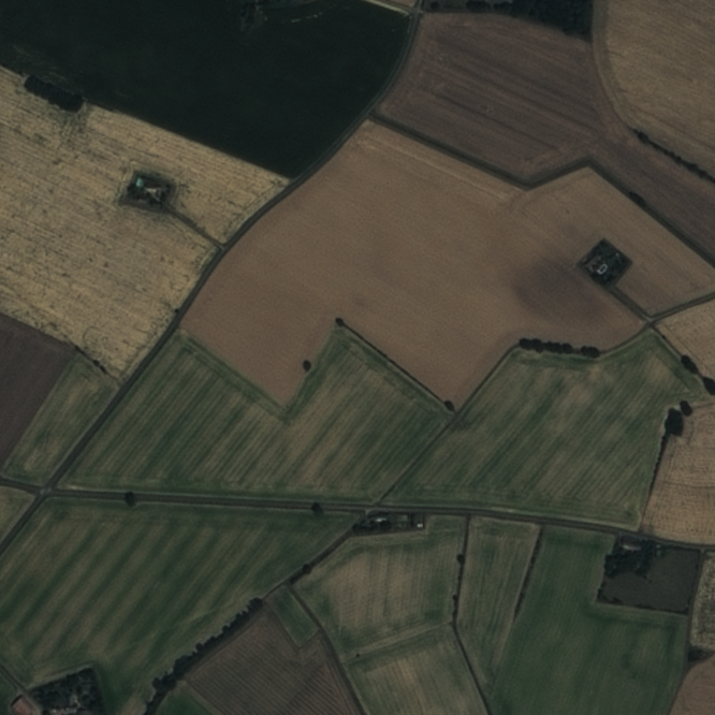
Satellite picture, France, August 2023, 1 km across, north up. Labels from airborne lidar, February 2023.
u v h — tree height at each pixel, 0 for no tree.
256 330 0
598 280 10
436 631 0
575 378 0
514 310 0
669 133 0
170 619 0
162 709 0
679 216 0
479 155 0
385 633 0
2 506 0
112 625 0
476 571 0
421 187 0
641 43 0
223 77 0
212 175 0
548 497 0
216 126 0
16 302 0
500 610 0
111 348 0
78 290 0
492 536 0
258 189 0
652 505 0
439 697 0
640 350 0
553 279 0
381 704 0
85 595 0
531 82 0
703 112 0
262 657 0
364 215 0
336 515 0
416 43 0
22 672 0
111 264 0
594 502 0
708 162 0
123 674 0
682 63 0
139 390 0
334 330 0
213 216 0
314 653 0
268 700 0
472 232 0
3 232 0
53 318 0
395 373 0
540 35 0
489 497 0
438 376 0
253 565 0
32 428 0
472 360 0
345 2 0
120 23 0
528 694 0
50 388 0
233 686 0
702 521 0
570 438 0
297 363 0
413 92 0
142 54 0
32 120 0
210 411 0
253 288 0
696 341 0
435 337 0
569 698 0
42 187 0
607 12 0
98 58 0
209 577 0
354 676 0
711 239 0
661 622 0
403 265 0
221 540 0
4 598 0
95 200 0
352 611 0
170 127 0
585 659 0
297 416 0
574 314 0
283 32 0
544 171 0
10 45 0
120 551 0
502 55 0
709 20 0
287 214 0
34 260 0
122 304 0
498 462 0
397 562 0
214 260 0
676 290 0
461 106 0
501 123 0
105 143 0
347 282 0
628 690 0
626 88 0
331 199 0
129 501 12
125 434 0
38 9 0
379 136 0
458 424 0
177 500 0
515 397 0
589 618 0
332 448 0
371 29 0
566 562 0
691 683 0
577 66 0
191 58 0
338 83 0
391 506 0
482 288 0
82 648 0
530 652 0
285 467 0
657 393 0
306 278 0
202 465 0
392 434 0
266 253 0
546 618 0
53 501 0
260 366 0
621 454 0
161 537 0
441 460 0
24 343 0
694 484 0
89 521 0
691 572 0
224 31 0
